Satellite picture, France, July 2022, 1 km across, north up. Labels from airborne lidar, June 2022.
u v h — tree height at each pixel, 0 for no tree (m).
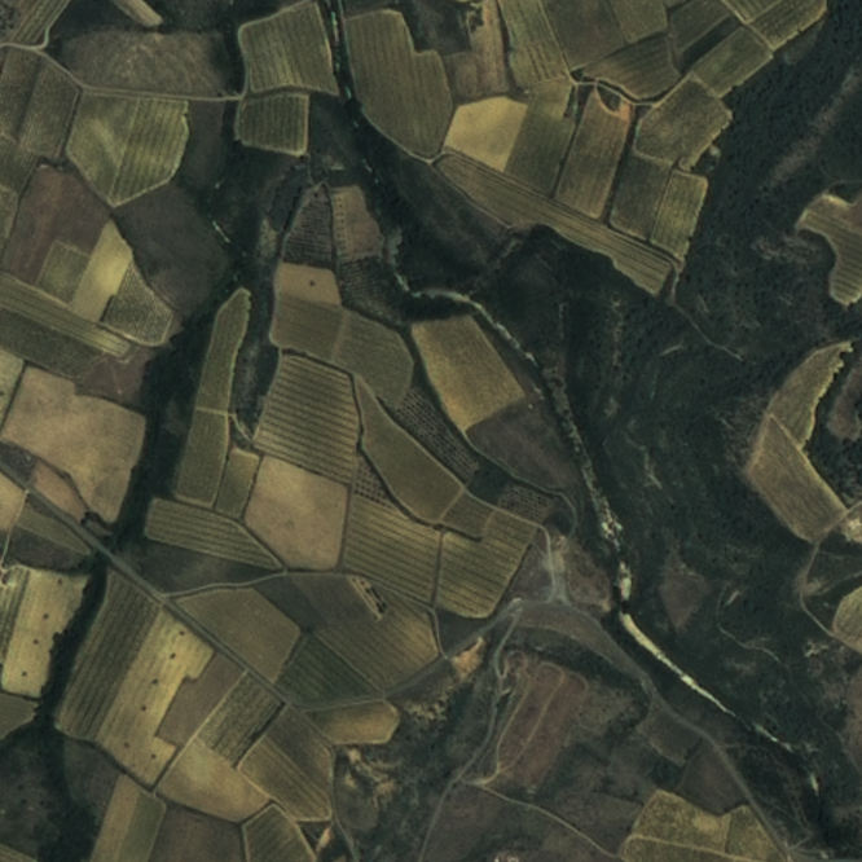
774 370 10
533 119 0
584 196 0
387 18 0
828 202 0
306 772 0
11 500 0
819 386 0
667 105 0
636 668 0
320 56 0
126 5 0
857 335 13
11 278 0
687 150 0
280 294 0
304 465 0
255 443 0
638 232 0
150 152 0
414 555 0
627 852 0
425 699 0
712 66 0
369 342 0
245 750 0
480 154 0
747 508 6
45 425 0
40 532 0
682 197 0
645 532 0
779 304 7
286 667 0
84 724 0
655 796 0
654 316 9
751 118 7
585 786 0
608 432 0
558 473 0
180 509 0
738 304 6
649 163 0
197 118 0
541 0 0
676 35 0
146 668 0
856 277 0
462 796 0
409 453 0
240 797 0
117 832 0
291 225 6
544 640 0
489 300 6
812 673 0
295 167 8
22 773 0
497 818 0
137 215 0
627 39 0
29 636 0
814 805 6
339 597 0
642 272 0
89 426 0
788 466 0
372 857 0
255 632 0
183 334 8
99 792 0
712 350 7
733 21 0
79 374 0
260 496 0
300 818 0
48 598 0
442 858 0
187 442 0
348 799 0
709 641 0
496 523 0
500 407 0
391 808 0
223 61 0
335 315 0
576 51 0
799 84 8
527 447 0
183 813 0
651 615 0
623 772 0
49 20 0
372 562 0
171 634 0
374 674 0
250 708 0
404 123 0
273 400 0
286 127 0
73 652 14
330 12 7
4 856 0
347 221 0
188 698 0
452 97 0
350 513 0
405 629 0
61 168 0
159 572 0
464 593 0
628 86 0
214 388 0
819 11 0
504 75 0
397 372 0
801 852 0
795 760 6
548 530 0
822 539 0
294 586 0
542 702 0
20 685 0
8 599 0
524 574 0
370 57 0
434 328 0
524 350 6
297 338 0
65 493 0
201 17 0
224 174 9
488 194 0
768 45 0
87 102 0
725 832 0
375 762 0
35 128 0
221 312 0
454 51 0
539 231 10
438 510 0
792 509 0
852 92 0
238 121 0
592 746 0
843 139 8
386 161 6
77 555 0
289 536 0
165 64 0
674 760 0
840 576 0
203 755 0
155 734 0
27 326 0
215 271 0
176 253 0
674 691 0
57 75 0
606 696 0
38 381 0
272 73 0
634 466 0
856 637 0
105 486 0
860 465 12
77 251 0
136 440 0
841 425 0
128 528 11
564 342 6
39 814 0
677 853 0
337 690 0
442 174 0
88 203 0
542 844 0
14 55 0
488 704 0
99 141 0
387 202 13
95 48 0
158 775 0
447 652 0
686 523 0
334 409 0
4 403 0
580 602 0
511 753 0
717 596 0
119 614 0
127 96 0
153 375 10
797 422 0
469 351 0
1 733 0
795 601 0
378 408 0
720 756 0
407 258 8
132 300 0
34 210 0
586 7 0
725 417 8
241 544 0
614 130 0
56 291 0
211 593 0
